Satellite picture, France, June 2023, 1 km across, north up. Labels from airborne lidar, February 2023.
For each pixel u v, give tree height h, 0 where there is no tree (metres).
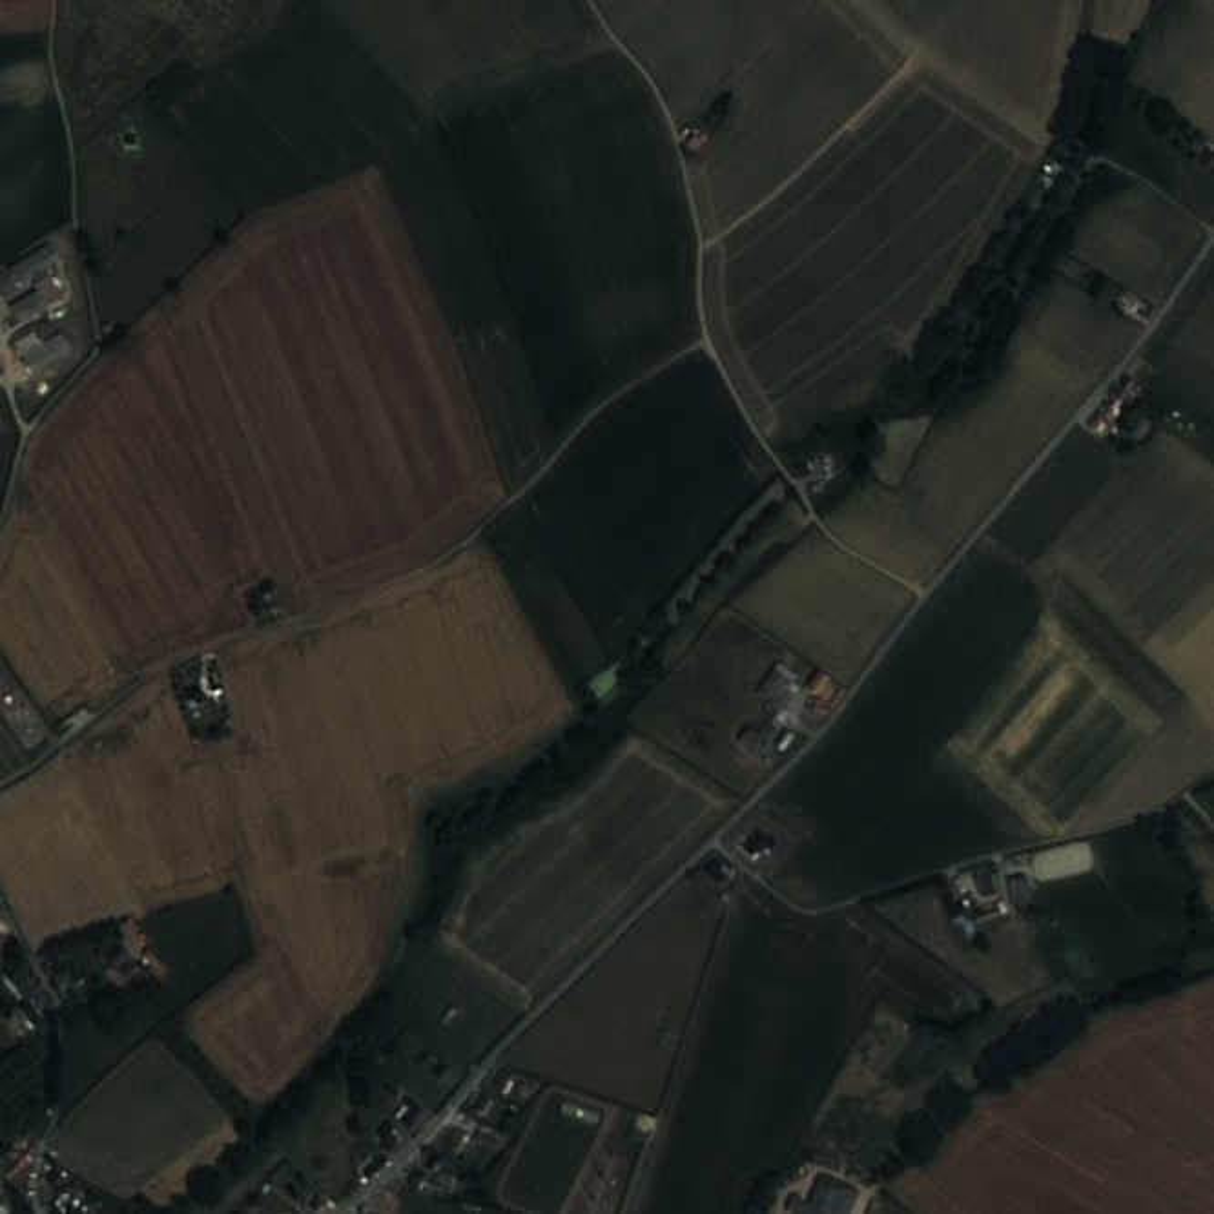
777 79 0
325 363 0
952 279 0
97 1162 0
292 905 0
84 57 0
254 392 0
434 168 0
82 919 0
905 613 0
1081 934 0
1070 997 0
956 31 0
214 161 0
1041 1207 0
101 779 0
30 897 0
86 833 0
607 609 0
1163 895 0
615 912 0
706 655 0
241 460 0
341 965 0
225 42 0
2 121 0
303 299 0
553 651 0
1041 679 0
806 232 0
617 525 0
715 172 0
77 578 0
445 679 0
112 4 0
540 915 0
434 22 0
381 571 0
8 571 0
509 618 0
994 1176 0
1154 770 0
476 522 0
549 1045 0
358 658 0
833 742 0
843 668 0
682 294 0
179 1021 0
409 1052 0
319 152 0
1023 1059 28
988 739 0
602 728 6
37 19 0
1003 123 0
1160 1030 0
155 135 0
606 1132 0
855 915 0
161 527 0
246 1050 0
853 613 0
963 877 0
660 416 0
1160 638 0
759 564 0
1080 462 0
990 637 0
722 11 0
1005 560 0
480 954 0
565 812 0
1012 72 0
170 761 0
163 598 0
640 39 0
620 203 0
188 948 0
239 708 0
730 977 0
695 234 0
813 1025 0
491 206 0
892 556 0
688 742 0
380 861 0
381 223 0
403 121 0
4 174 0
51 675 0
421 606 0
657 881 0
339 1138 0
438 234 0
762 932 0
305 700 0
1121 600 0
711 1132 0
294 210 0
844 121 0
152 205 0
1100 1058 0
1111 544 0
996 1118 0
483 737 0
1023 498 0
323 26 0
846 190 0
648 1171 0
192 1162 0
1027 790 0
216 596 0
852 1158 0
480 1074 0
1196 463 0
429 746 0
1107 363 0
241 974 0
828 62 0
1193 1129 0
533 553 0
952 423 0
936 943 0
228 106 0
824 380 0
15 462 0
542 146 0
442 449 0
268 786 0
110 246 0
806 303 0
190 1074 0
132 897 0
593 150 0
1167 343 0
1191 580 0
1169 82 0
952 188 0
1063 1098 0
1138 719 0
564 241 0
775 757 0
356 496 0
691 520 0
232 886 6
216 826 0
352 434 0
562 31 0
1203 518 0
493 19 0
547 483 0
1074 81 15
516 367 0
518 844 0
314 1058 0
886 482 0
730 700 0
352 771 0
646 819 0
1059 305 0
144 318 0
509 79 0
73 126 0
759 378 0
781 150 0
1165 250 0
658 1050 0
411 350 0
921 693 0
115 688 0
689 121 0
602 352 0
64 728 0
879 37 0
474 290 0
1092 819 0
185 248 0
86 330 0
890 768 0
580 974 0
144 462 0
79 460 0
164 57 0
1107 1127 0
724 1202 0
